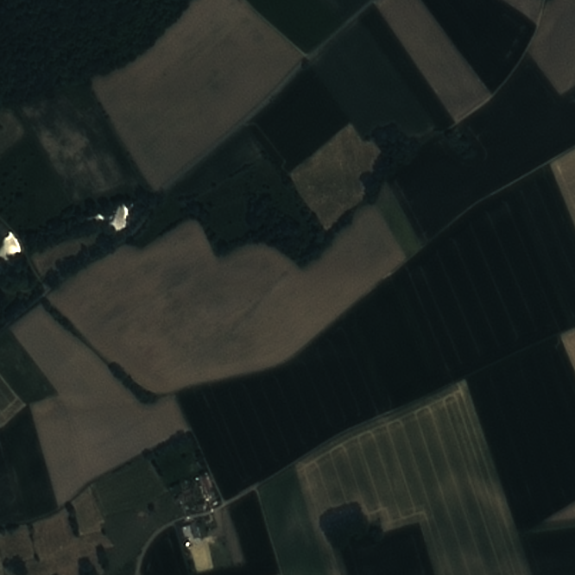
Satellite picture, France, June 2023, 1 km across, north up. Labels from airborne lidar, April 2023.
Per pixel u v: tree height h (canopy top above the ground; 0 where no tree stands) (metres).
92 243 0
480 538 0
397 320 0
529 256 0
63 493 0
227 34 0
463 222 0
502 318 0
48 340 0
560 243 0
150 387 0
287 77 0
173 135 0
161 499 0
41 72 37
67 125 0
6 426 0
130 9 23
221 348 0
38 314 0
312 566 0
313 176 0
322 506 0
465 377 0
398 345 0
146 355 0
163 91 0
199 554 0
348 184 0
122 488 0
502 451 0
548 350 0
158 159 0
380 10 0
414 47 0
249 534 0
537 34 0
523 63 0
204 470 8
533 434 0
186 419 0
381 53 0
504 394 0
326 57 0
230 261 0
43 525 0
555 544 0
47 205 0
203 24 0
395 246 0
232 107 0
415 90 0
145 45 19
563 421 0
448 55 0
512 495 0
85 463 0
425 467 0
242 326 0
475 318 0
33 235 17
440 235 0
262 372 0
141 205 17
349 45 0
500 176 0
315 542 0
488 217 0
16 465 0
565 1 0
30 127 0
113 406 0
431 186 0
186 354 0
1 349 0
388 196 0
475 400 0
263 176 0
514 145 0
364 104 0
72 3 26
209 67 0
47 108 0
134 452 0
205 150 0
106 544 0
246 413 0
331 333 0
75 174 0
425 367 0
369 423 0
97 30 22
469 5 0
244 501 0
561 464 0
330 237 14
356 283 0
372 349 0
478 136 0
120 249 0
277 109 0
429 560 0
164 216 0
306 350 0
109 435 0
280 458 0
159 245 0
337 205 0
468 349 0
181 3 20
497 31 0
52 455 0
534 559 0
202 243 0
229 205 0
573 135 0
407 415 0
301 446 0
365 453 0
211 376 0
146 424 0
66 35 23
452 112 0
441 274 0
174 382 0
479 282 0
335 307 0
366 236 0
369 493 0
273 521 0
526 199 0
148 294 0
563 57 0
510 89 0
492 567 0
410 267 0
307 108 0
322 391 0
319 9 0
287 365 0
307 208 7
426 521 0
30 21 24
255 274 0
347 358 0
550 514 0
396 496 0
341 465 0
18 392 0
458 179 0
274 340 0
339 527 38
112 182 0
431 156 0
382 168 24
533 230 0
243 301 0
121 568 0
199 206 9
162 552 0
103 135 0
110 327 0
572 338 0
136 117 0
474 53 0
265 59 0
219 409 0
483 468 0
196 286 0
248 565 0
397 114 0
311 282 0
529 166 0
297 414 0
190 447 0
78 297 0
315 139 0
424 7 0
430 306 0
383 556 0
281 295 0
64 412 0
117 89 0
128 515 0
